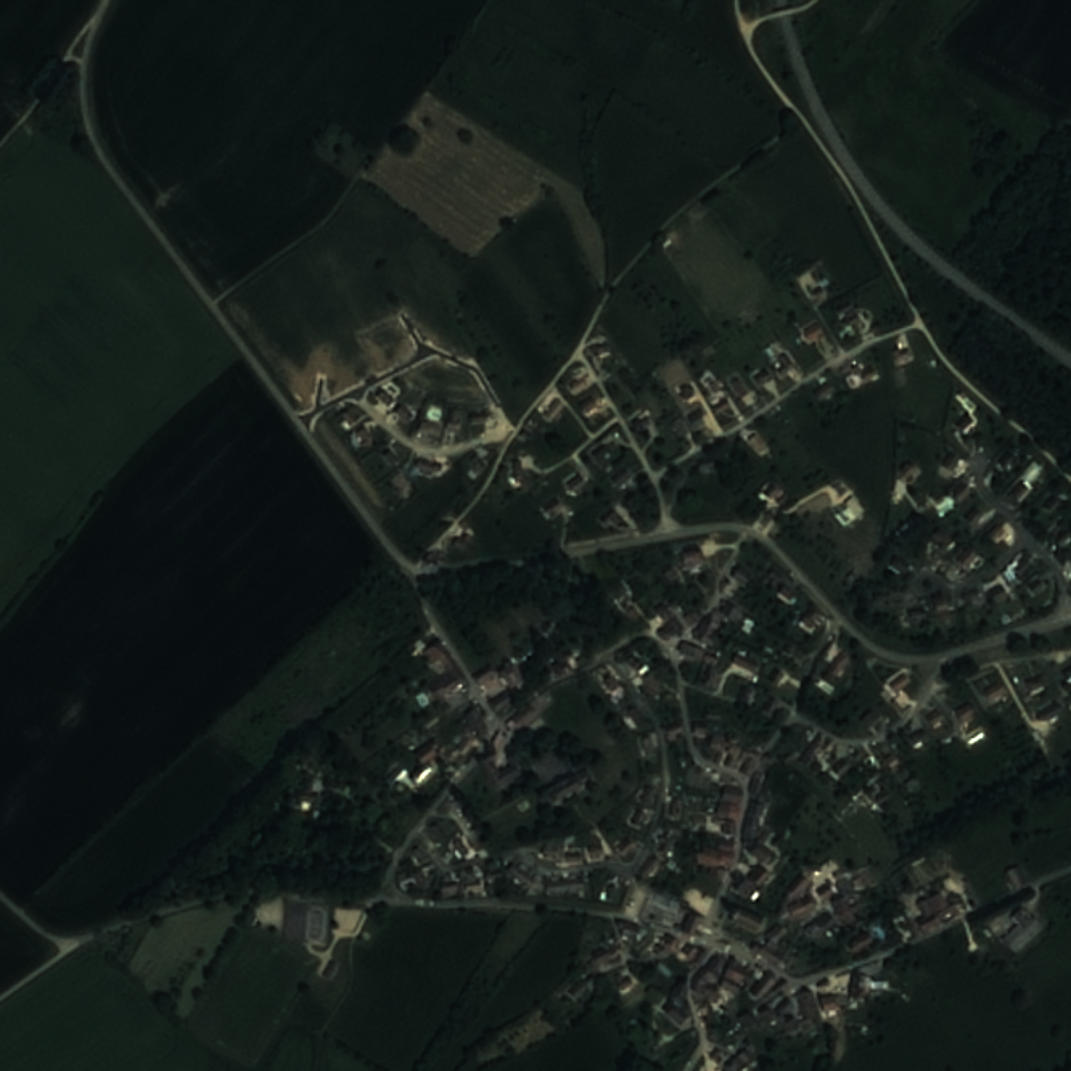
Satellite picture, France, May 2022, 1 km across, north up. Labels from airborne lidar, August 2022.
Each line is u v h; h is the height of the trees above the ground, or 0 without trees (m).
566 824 12
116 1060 0
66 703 0
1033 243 26
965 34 0
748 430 0
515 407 0
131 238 0
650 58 0
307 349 0
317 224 0
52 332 0
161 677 0
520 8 0
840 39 0
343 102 0
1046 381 23
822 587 0
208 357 0
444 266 0
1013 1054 0
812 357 0
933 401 0
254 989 0
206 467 0
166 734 0
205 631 0
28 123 0
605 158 0
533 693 8
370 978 0
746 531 0
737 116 0
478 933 0
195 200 0
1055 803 18
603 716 9
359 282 0
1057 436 11
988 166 20
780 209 0
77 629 0
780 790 0
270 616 0
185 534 0
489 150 0
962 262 13
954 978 0
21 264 0
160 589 0
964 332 10
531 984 0
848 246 0
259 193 0
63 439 0
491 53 0
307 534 0
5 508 0
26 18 0
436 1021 0
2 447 0
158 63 0
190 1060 0
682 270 0
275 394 0
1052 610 6
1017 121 0
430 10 0
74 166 0
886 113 0
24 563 0
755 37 0
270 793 23
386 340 0
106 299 0
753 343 0
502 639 0
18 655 0
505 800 9
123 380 0
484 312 0
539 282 0
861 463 0
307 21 0
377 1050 0
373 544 0
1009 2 0
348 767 16
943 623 0
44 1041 0
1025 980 0
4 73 0
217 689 0
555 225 0
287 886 26
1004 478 9
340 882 22
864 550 0
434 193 0
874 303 0
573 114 0
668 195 0
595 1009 8
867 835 0
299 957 0
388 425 0
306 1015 0
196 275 0
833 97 0
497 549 0
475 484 5
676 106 0
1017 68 0
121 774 0
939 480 0
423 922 0
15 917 0
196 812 0
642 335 0
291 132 0
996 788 13
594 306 0
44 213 0
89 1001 0
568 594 14
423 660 7
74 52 0
